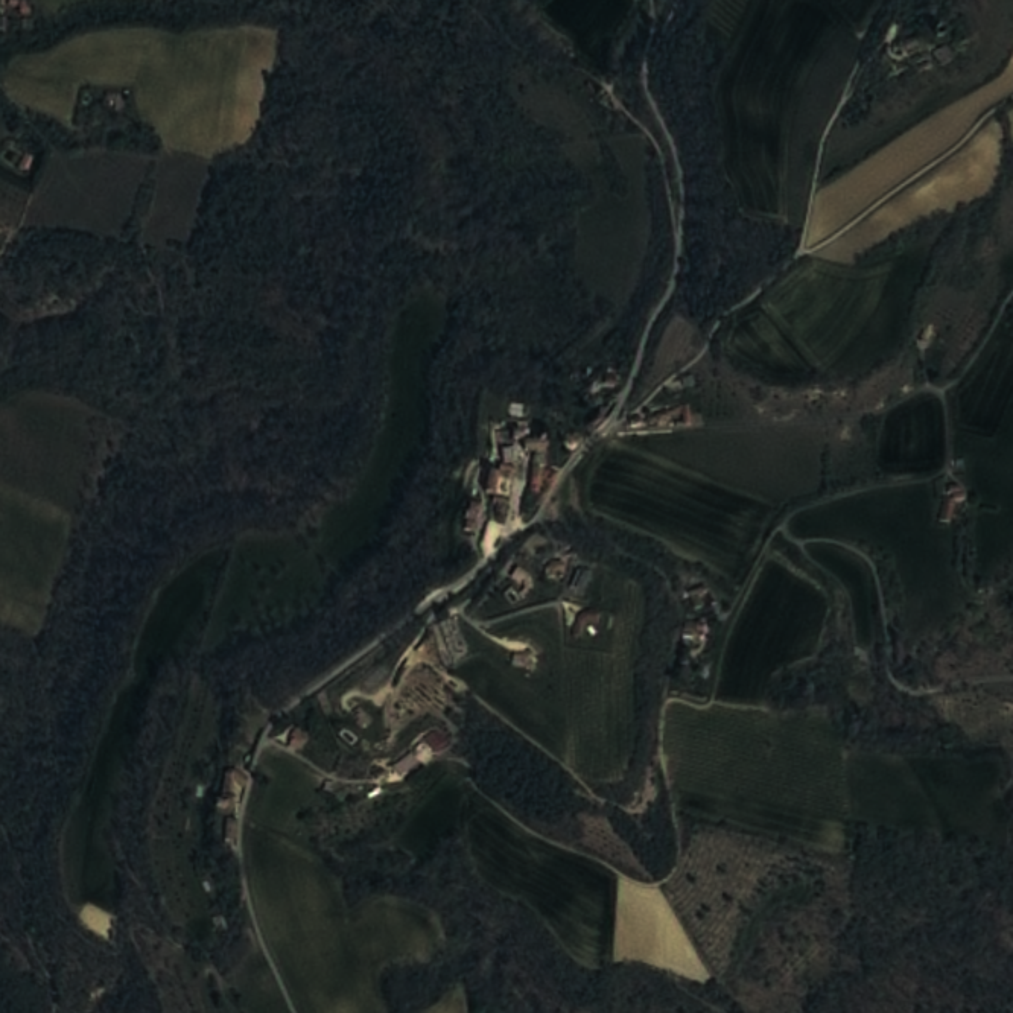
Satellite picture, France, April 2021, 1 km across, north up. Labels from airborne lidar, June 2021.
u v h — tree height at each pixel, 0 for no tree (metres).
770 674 0
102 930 0
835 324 0
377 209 13
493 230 30
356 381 15
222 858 15
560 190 20
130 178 0
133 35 0
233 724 13
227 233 10
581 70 18
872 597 0
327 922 0
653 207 14
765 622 0
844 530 0
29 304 13
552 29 0
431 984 22
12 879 17
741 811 0
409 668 0
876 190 0
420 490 23
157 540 16
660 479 0
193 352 7
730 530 0
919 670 12
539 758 10
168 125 0
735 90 0
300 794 0
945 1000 18
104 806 0
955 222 12
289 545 0
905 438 0
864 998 18
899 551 0
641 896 0
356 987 0
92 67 0
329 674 13
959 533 7
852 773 0
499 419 0
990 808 0
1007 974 15
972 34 14
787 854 11
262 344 6
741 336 0
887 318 0
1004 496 0
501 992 32
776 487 0
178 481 13
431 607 0
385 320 20
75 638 18
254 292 8
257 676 18
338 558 0
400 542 25
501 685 0
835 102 0
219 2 12
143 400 9
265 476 22
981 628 9
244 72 0
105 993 15
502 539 0
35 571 0
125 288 13
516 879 0
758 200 0
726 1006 12
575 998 13
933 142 0
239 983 0
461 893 22
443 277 15
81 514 10
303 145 13
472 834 0
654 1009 10
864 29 0
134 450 13
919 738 23
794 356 0
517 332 16
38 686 14
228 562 14
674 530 0
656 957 0
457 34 15
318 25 13
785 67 0
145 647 0
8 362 8
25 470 0
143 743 21
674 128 10
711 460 0
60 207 0
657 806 7
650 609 10
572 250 7
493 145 19
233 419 9
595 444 15
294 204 16
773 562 0
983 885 8
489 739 12
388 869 23
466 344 23
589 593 0
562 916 0
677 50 14
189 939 11
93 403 6
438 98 22
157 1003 12
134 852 16
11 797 15
